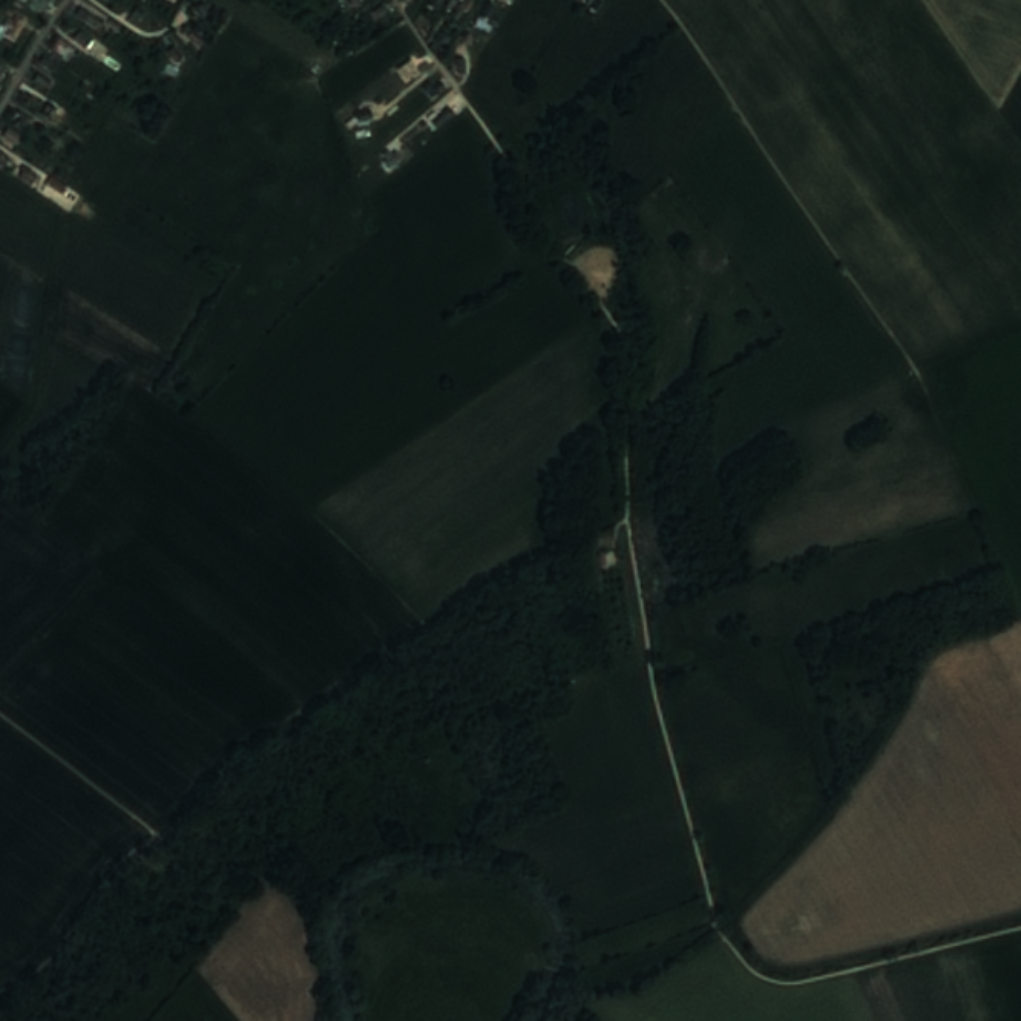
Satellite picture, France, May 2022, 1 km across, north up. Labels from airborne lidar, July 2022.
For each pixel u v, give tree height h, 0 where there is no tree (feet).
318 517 0
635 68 53
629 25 0
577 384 0
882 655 46
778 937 0
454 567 0
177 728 0
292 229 0
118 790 0
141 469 0
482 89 0
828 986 0
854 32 0
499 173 62
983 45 0
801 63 0
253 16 0
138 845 0
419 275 0
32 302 0
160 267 0
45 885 0
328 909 20
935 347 0
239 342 0
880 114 0
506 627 51
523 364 0
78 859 0
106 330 0
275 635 0
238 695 0
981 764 0
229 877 87
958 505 0
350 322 0
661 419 27
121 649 0
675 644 0
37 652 0
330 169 0
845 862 0
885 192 0
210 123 0
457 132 0
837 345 0
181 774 0
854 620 49
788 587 0
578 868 0
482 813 57
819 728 0
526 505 0
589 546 72
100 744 0
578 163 28
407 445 0
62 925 0
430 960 0
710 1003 0
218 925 35
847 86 0
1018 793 0
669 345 0
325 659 0
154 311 0
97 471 0
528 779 56
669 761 0
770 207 0
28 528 0
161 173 0
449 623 69
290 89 0
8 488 60
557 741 0
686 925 0
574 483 91
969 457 0
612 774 0
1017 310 0
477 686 80
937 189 0
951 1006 0
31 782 0
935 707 0
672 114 0
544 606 70
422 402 0
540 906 0
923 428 0
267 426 0
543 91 0
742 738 0
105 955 80
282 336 0
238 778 89
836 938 0
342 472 0
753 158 0
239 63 0
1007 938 0
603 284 0
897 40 0
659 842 0
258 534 0
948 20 0
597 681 0
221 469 0
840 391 0
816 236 0
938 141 0
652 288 0
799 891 0
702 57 0
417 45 0
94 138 0
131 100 20
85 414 70
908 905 0
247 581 0
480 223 0
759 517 60
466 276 0
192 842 74
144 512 0
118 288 0
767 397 0
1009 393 0
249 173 0
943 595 73
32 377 0
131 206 0
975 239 0
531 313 0
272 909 0
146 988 76
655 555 0
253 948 0
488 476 0
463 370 0
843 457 0
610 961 41
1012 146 0
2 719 0
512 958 0
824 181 0
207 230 0
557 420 0
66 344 0
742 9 0
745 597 0
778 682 0
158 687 0
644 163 0
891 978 0
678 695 0
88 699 0
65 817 0
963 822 0
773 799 0
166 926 105
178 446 0
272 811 40
